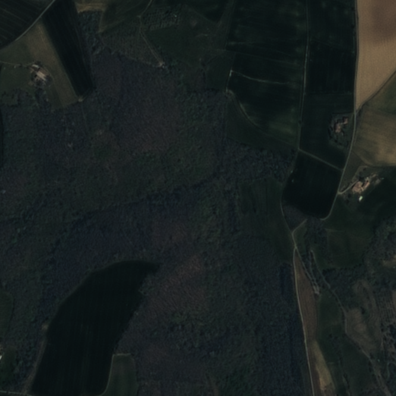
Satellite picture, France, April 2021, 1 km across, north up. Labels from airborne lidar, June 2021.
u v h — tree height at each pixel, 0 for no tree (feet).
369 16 0
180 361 55
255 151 38
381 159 0
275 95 0
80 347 0
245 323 80
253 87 0
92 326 0
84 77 0
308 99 0
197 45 0
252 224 0
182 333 66
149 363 47
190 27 0
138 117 54
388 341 18
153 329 74
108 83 33
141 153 49
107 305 0
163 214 79
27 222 54
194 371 53
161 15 26
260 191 0
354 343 42
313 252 59
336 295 37
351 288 73
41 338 43
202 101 69
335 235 0
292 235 0
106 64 34
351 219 0
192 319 59
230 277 53
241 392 33
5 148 43
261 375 73
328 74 0
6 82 0
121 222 22
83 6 0
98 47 51
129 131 51
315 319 0
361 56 0
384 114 0
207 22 0
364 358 0
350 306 35
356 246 0
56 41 0
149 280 44
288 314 54
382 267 49
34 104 53
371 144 0
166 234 42
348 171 0
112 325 0
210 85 0
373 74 0
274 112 0
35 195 32
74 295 0
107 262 26
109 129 25
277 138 0
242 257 38
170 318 75
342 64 0
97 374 0
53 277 67
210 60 0
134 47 21
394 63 0
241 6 0
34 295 54
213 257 61
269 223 0
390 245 52
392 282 45
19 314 46
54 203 47
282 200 0
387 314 25
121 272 0
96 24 38
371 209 0
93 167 38
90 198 61
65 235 71
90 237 52
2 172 41
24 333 51
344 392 0
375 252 53
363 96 0
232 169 62
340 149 0
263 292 45
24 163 47
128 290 0
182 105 57
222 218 61
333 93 0
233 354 50
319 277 36
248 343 54
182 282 47
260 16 0
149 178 60
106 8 0
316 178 0
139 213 38
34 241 42
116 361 0
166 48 0
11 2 0
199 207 50
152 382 19
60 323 0
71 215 42
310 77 0
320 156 0
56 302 52
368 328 0
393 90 0
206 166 25
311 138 0
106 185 53
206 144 52
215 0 0
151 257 48
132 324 48
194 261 44
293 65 0
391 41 0
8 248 63
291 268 42
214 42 0
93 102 31
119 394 0
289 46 0
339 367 0
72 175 36
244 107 0
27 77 0
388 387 37
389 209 0
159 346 58
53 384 0
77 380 0
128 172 40
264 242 28
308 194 0
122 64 53
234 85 0
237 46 0
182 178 56
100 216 24
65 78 0
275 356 41
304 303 0
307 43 0
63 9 0
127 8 0
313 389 0
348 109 0
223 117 47
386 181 0
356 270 35
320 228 31
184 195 74
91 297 0
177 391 41
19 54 0
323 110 0
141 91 49
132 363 0
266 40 0
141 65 30
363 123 0
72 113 43
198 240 60
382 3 0
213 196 26
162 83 37
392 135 0
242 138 0
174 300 40
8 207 55
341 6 0
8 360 0
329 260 45
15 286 49
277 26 0
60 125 46
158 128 49
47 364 0
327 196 0
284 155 0
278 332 51
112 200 55
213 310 53
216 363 54
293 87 0
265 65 0
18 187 43
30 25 0
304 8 0
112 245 57
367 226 0
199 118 66
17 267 43
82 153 44
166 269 46
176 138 37
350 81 0
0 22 0
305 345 33
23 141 74
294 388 46
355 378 0
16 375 17
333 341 23
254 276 36
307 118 0
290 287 63
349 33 0
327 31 0
